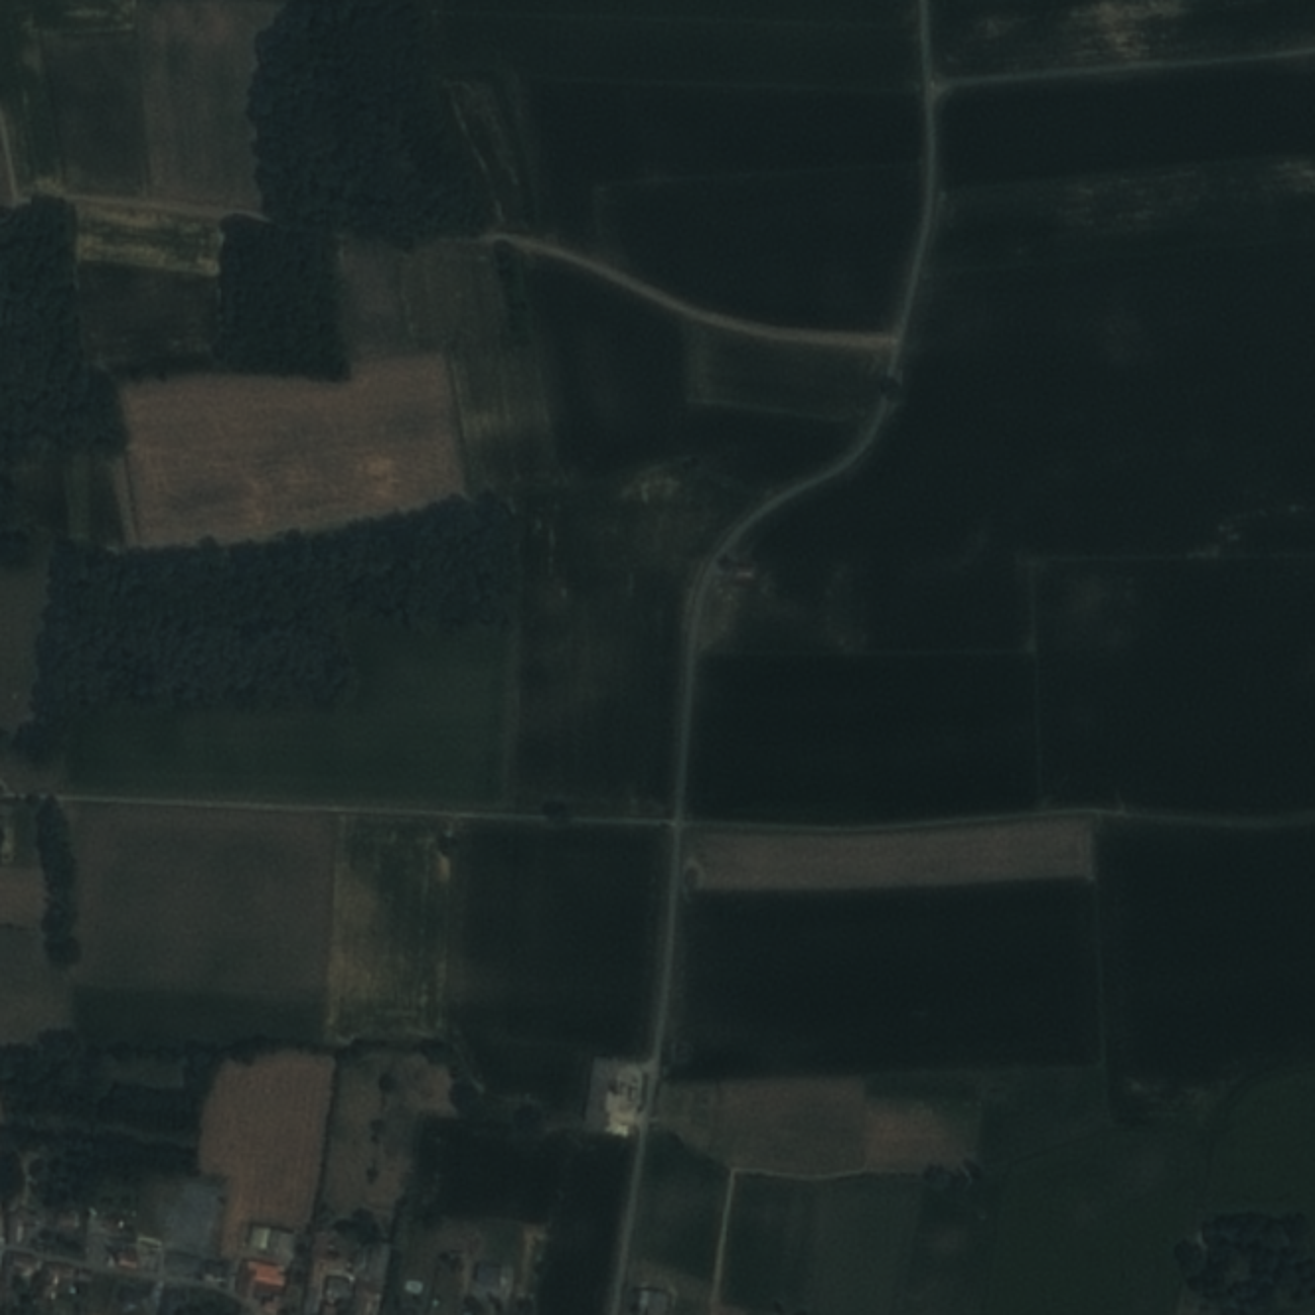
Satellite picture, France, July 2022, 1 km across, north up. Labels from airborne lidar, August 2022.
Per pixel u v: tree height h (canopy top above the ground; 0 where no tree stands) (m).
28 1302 11
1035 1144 0
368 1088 0
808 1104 0
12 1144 14
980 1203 0
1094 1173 0
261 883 0
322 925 0
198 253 0
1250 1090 0
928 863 0
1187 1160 0
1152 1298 0
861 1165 0
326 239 16
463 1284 0
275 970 0
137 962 0
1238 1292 12
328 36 20
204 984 0
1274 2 0
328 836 0
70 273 7
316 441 0
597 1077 0
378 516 0
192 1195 0
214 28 0
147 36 0
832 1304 0
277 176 20
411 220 19
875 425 0
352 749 0
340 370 12
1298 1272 14
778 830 0
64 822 20
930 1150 0
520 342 0
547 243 0
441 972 0
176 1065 10
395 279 0
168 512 0
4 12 0
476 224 11
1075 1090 0
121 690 13
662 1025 0
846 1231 0
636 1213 0
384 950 0
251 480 0
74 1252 12
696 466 11
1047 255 0
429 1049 15
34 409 29
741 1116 0
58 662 28
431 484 0
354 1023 0
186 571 32
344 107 20
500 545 28
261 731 0
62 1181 8
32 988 0
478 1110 17
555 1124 0
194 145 0
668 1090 0
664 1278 0
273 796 0
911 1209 0
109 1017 0
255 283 15
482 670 0
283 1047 5
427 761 0
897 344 0
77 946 14
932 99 0
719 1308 0
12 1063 20
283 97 26
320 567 28
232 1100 0
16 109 0
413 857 0
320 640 32
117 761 0
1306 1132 0
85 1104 21
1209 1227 11
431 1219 11
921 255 0
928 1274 0
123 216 0
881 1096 0
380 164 24
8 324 28
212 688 29
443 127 12
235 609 31
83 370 25
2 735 11
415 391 0
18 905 0
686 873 0
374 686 0
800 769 0
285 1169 0
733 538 0
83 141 0
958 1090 0
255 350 11
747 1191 0
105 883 0
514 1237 0
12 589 0
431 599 29
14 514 27
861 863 0
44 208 12
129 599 28
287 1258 0
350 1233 13
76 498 0
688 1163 0
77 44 0
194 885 0
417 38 10
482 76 0
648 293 0
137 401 0
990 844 0
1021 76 0
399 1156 0
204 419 0
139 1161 17
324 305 16
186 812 0
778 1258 0
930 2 0
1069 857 0
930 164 0
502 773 0
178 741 0
